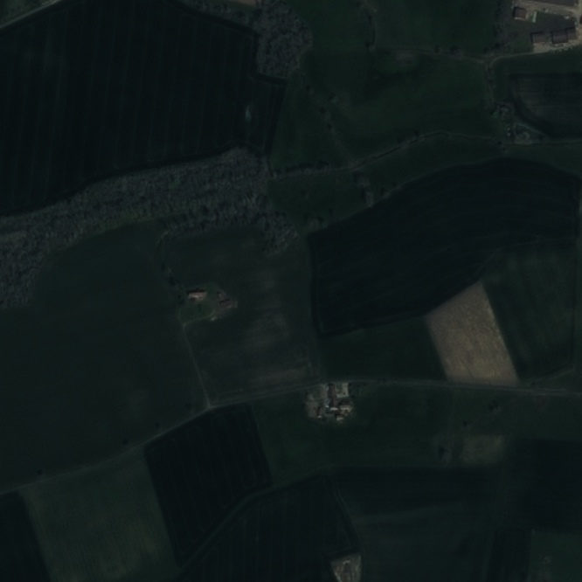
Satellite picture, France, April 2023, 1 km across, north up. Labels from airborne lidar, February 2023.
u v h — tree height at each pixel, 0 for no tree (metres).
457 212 0
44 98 0
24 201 0
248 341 0
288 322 0
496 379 0
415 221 0
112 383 0
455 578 0
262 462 0
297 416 0
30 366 0
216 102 0
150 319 0
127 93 0
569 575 0
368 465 0
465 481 0
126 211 25
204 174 11
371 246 0
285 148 0
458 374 0
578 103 0
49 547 0
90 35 0
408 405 0
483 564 0
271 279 0
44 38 0
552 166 0
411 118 0
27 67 0
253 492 0
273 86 0
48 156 0
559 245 0
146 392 0
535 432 0
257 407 0
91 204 7
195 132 0
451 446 0
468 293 0
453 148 0
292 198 0
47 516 0
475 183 0
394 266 0
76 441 0
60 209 17
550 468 0
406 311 0
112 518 0
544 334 0
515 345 0
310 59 0
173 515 0
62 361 0
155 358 0
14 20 0
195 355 0
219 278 0
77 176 0
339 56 0
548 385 0
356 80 0
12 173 0
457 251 0
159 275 0
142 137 0
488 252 0
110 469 0
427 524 0
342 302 0
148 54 0
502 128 0
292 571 0
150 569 0
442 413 0
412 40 0
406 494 0
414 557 0
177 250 0
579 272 0
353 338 0
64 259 0
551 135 0
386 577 0
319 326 0
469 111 0
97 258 0
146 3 0
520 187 0
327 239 0
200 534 0
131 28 0
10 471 0
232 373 0
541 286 0
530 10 0
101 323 0
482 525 0
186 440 0
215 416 0
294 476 0
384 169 0
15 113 0
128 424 0
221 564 0
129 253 0
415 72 0
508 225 0
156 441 0
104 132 0
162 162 0
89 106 0
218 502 0
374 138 0
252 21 7
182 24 0
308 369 0
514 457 0
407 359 0
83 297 0
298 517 0
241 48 0
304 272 0
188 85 0
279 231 10
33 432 0
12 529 0
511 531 0
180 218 0
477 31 0
